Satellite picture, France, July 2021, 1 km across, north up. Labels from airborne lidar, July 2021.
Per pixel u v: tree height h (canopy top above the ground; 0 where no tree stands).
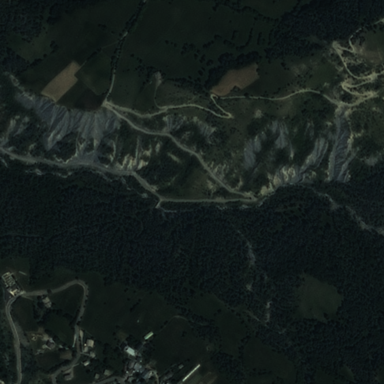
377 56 0
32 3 18
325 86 0
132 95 0
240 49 11
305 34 21
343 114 0
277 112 0
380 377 0
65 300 0
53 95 0
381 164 5
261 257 17
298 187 7
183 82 10
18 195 15
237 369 9
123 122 6
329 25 24
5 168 9
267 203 7
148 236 19
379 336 18
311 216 19
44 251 23
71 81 0
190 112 0
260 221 13
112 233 15
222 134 6
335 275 22
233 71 0
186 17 0
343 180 0
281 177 0
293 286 8
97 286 0
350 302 21
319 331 22
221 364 19
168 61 0
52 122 0
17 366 0
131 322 0
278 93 8
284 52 11
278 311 22
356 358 21
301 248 23
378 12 17
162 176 7
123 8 0
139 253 18
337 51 0
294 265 13
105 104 0
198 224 12
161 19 0
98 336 0
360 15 13
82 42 0
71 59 0
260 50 0
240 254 18
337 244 26
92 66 0
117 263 17
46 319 21
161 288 10
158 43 0
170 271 24
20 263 0
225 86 0
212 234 21
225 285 13
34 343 0
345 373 0
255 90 0
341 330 28
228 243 21
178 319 0
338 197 7
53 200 15
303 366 13
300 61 0
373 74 0
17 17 12
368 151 9
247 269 6
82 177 7
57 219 17
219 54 0
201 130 0
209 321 9
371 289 20
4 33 8
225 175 0
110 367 10
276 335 13
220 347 8
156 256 22
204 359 0
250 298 12
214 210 9
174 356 0
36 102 0
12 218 22
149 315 0
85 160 0
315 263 16
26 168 7
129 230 21
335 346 15
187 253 21
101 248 9
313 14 15
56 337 16
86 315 0
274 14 0
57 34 0
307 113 12
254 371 11
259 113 0
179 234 12
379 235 21
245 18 0
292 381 0
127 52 0
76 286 0
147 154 0
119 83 0
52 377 0
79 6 22
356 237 12
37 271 23
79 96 0
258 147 0
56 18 23
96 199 15
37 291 0
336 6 20
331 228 24
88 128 0
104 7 0
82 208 20
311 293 0
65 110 0
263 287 11
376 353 16
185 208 7
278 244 20
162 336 0
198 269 12
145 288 12
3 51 17
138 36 0
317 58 0
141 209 13
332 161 0
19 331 0
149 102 0
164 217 19
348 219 19
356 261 17
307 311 0
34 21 7
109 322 0
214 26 0
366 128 8
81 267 15
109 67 0
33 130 8
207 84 11
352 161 0
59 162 0
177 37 0
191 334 0
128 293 0
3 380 7
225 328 0
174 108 7
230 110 0
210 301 0
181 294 19
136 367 0
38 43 0
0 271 0
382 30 12
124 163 0
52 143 0
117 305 0
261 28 0
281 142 0
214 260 18
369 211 10
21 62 16
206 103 0
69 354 0
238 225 8
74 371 0
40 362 0
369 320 17
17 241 14
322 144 0
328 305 0
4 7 11
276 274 20
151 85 0
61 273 0
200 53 10
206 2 8
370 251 18
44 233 14
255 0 0
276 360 0
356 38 7
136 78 0
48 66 0
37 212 19
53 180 12
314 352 16
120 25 0
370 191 16
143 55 0
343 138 0
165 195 0
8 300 0
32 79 0
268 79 0
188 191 0
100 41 0
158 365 0
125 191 8
